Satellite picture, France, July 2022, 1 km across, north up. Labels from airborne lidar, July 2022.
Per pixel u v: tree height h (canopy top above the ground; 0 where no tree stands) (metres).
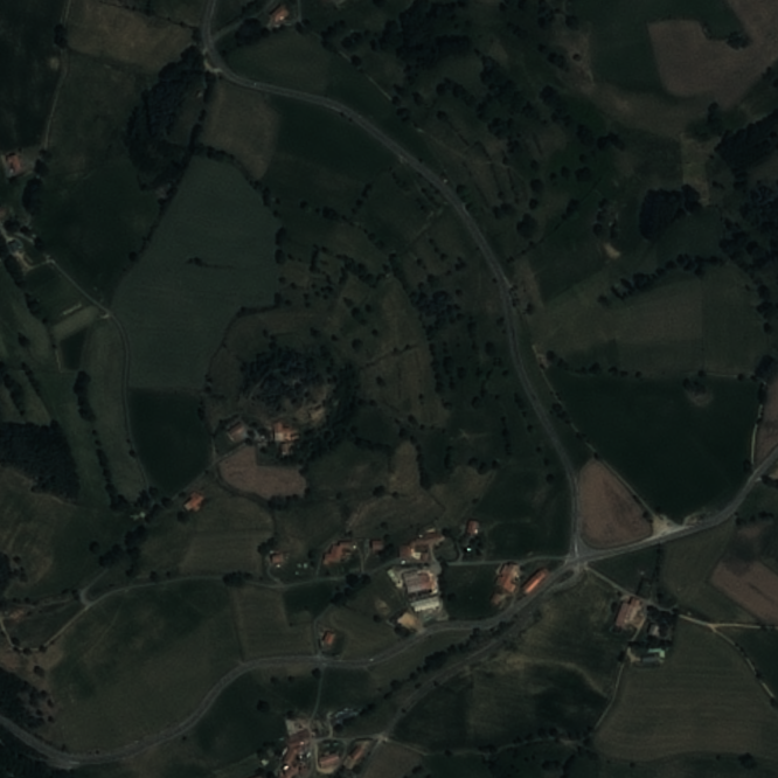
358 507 0
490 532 0
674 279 0
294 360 13
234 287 0
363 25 0
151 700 0
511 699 0
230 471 0
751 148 21
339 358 0
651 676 0
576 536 0
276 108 0
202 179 0
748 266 15
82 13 0
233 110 0
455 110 0
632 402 0
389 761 0
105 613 0
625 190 0
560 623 0
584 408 0
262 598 0
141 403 0
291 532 0
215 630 0
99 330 0
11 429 17
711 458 0
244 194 0
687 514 0
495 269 0
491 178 0
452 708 0
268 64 0
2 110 0
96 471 0
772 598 0
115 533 0
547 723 0
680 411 0
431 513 0
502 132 18
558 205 0
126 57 0
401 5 0
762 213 11
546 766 12
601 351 0
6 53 0
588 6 0
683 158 0
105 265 0
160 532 0
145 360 0
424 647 0
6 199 0
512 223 0
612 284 0
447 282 0
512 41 0
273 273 0
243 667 0
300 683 0
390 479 0
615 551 0
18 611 0
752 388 0
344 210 0
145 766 0
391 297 0
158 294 0
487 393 11
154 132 15
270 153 0
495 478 0
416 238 0
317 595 0
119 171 0
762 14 0
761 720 0
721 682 0
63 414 0
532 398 0
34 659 0
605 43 0
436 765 0
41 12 0
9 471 0
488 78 17
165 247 0
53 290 0
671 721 0
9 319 0
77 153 0
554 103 23
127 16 0
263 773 9
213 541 0
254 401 7
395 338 0
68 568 0
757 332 0
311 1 0
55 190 0
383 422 0
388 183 0
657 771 0
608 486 0
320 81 0
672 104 0
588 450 0
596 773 0
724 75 0
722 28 0
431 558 0
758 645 0
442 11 26
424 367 0
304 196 0
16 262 16
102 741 0
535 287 0
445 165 0
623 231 0
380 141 0
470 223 0
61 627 0
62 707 0
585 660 0
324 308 0
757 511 0
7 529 0
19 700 13
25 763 13
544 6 10
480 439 0
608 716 0
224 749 0
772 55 0
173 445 0
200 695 0
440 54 22
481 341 0
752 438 0
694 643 0
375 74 0
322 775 0
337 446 10
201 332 0
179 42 0
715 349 0
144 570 0
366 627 0
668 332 0
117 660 0
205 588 0
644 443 0
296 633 0
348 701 0
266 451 8
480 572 0
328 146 0
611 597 0
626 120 0
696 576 0
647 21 0
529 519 0
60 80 0
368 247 0
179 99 13
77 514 0
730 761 0
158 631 0
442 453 0
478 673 0
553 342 0
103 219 0
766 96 0
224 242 0
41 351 0
